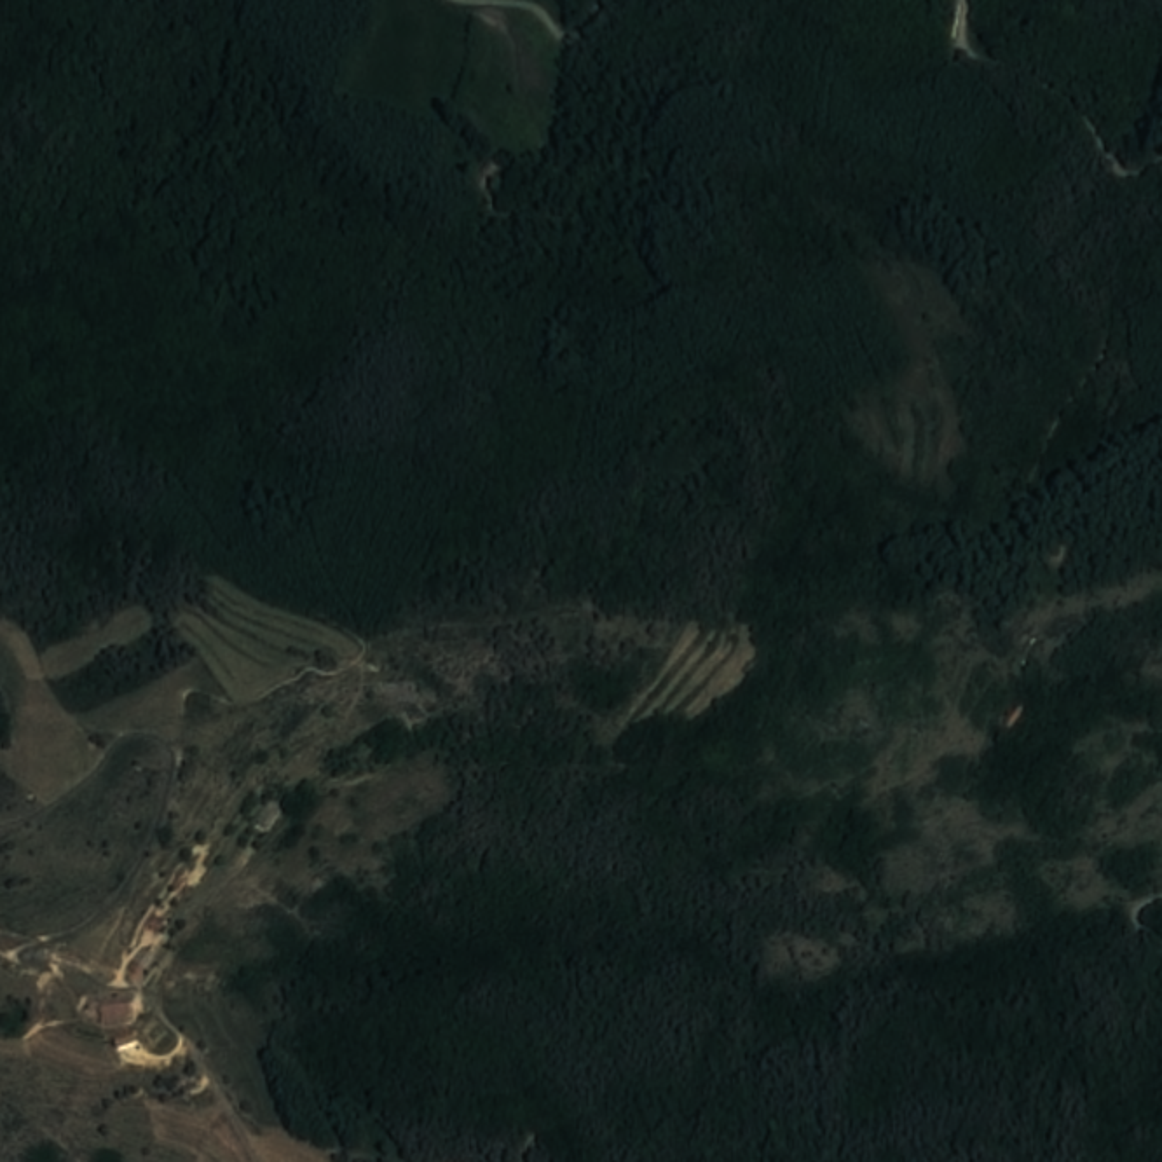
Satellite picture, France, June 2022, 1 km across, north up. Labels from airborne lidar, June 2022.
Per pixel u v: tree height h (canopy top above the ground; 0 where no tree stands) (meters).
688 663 0
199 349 15
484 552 16
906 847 0
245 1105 7
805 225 14
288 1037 8
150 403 16
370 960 17
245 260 21
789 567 13
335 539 16
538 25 0
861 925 7
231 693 0
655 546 19
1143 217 23
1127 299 16
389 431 19
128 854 0
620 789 15
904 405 0
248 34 24
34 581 16
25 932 0
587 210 16
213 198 18
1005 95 18
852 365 16
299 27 29
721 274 14
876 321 14
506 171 14
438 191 27
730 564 17
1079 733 6
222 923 0
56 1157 0
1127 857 10
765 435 19
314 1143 21
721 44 15
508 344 20
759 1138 19
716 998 15
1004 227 15
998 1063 10
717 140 29
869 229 6
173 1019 0
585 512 20
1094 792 9
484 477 19
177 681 0
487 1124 20
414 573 13
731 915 17
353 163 30
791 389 16
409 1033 15
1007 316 9
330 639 0
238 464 13
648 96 10
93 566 8
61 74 19
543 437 21
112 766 0
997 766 8
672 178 28
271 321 17
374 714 0
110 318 15
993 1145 11
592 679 13
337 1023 13
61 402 15
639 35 11
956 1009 16
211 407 15
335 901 6
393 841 6
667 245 16
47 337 20
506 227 22
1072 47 17
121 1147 0
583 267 21
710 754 0
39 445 17
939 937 12
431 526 14
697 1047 20
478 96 0
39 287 21
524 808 13
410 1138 21
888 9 15
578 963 18
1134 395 16
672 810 7
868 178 13
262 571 13
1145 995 16
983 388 8
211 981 0
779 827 13
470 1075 20
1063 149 18
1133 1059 21
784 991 10
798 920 16
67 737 0
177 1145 0
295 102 22
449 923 18
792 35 10
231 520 20
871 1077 17
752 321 14
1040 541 28
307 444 19
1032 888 12
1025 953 25
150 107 18
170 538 15
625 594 11
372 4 30
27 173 12
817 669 9
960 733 0
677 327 15
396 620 8
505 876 12
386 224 12
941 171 17
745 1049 15
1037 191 18
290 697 0
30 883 7
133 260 19
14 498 12
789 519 15
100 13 18
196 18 20
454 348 16
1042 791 12
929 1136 21
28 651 0
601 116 13
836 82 14
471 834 19
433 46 0
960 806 0
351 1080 14
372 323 19
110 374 19
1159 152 32
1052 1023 7
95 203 22
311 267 20
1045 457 9
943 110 18
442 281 20
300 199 21
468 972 18
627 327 17
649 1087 19
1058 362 8
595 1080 23
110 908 0
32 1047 0
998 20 18
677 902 17
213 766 0
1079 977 15
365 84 0
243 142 16
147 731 0
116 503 19
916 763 0
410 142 31
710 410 9
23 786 0
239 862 0
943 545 28
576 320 29
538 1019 19
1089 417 9
